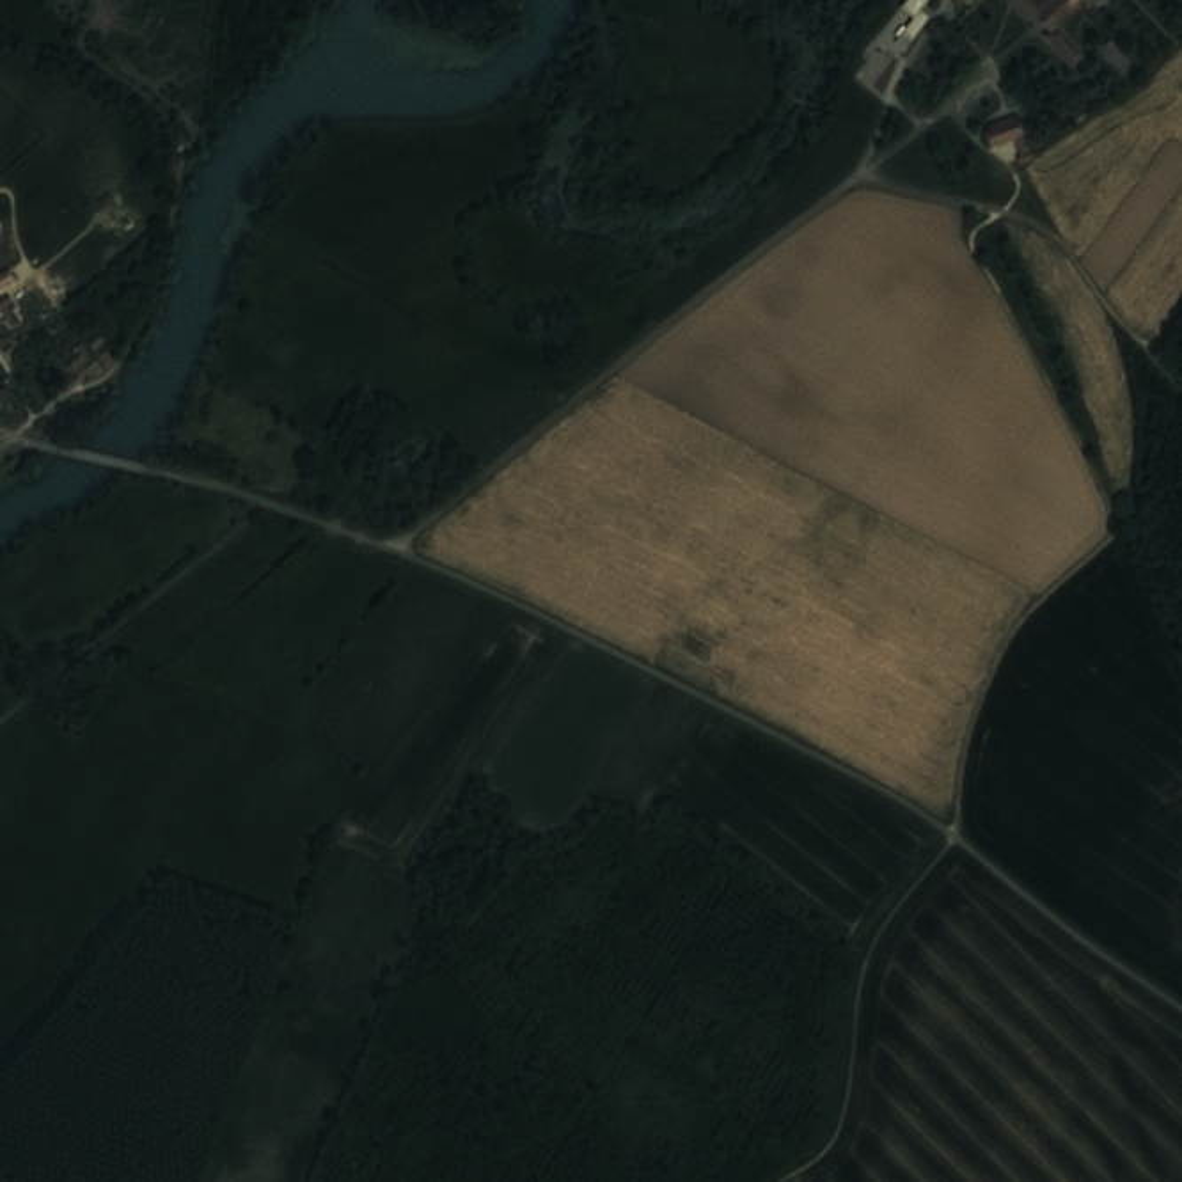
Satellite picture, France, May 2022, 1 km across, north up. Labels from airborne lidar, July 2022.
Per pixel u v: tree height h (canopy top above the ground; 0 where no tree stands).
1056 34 0
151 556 0
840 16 15
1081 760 0
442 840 16
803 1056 7
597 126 14
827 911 0
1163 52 8
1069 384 11
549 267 0
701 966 9
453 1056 7
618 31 10
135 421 0
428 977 7
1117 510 11
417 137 0
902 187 0
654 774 0
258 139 0
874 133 0
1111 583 0
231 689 0
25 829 0
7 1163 26
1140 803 0
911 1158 0
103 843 0
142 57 0
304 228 0
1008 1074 0
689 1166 8
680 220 0
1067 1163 0
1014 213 0
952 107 0
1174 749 0
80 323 15
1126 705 0
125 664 16
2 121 0
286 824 0
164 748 0
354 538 0
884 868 0
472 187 0
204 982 30
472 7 31
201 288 0
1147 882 0
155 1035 31
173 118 8
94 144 0
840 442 0
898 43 0
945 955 0
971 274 0
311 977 0
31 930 0
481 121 0
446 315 0
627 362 0
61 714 13
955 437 0
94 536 0
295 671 0
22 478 7
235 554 0
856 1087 0
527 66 0
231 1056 28
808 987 9
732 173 10
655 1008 6
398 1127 7
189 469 12
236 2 8
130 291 14
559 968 6
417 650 0
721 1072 7
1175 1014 0
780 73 12
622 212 9
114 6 0
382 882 0
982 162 0
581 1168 8
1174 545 21
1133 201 0
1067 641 0
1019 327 0
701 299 0
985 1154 0
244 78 6
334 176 0
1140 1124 0
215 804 0
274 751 0
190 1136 28
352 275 0
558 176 0
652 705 0
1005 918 0
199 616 0
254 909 25
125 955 30
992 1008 0
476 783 16
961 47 18
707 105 0
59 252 0
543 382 0
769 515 0
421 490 24
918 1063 0
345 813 0
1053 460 0
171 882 20
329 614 0
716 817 0
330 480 6
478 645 0
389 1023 7
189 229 0
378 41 0
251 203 25
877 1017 0
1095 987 0
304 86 0
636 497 0
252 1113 0
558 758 0
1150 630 0
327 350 0
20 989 0
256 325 0
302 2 20
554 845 14
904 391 0
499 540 0
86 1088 30
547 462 0
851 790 0
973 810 0
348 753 0
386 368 0
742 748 0
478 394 0
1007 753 0
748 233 0
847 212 0
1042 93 21
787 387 0
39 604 0
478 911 16
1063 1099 0
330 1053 0
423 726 0
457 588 0
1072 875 0
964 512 0
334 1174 7
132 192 0
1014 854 0
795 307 0
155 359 0
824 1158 0
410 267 0
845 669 0
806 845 0
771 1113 7
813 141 11
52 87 0
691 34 0
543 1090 7
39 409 15
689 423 0
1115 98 16
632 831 6
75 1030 28
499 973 7
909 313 0
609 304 0
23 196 0
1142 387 10
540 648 0
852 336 0
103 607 0
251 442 0
